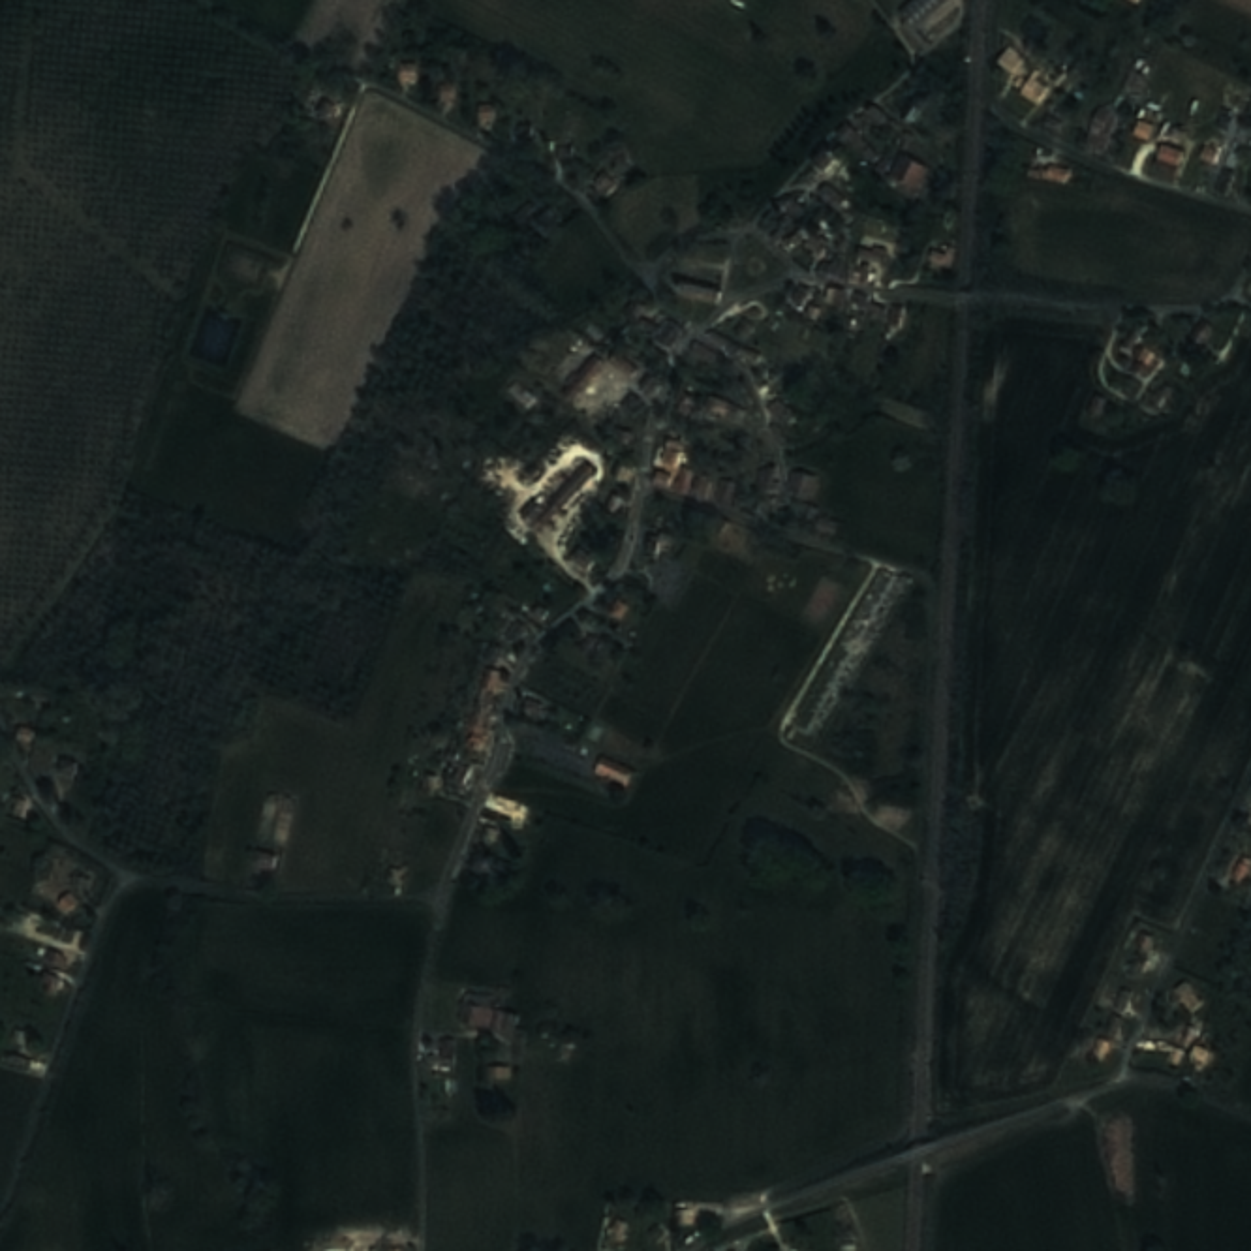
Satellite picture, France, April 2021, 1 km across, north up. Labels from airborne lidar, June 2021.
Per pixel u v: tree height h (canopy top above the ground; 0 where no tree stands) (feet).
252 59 33
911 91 28
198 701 37
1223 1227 0
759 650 0
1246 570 0
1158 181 0
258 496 0
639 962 0
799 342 0
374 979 0
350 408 0
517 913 0
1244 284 0
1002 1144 0
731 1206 0
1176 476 0
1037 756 0
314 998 0
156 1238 0
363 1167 0
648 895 0
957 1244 0
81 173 26
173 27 35
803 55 0
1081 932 0
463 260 40
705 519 61
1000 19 0
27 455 29
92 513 18
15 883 0
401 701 0
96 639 25
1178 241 0
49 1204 0
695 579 0
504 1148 0
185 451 0
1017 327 0
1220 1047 25
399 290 0
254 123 32
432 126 0
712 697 0
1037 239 0
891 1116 0
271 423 0
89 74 35
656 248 0
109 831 45
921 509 0
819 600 0
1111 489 52
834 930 0
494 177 51
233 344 0
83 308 32
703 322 0
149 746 20
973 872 73
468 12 0
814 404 54
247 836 0
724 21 0
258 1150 0
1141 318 29
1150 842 0
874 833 0
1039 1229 0
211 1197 0
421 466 23
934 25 0
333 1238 0
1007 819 0
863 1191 0
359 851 0
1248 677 0
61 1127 0
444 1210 0
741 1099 0
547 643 22
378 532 0
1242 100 0
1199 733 0
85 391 29
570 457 0
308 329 0
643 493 0
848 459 0
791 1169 0
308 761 0
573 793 0
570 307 22
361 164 0
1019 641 0
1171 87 0
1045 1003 0
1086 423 0
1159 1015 27
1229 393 0
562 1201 0
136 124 24
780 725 0
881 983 0
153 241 22
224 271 0
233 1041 0
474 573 28
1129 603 0
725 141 0
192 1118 25
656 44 0
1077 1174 0
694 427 42
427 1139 0
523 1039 22
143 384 33
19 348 20
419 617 0
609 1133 0
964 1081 0
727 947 0
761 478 0
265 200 45
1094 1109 0
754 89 0
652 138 0
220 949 0
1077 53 31
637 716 0
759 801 0
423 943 0
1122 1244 0
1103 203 0
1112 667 0
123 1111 0
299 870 0
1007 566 0
